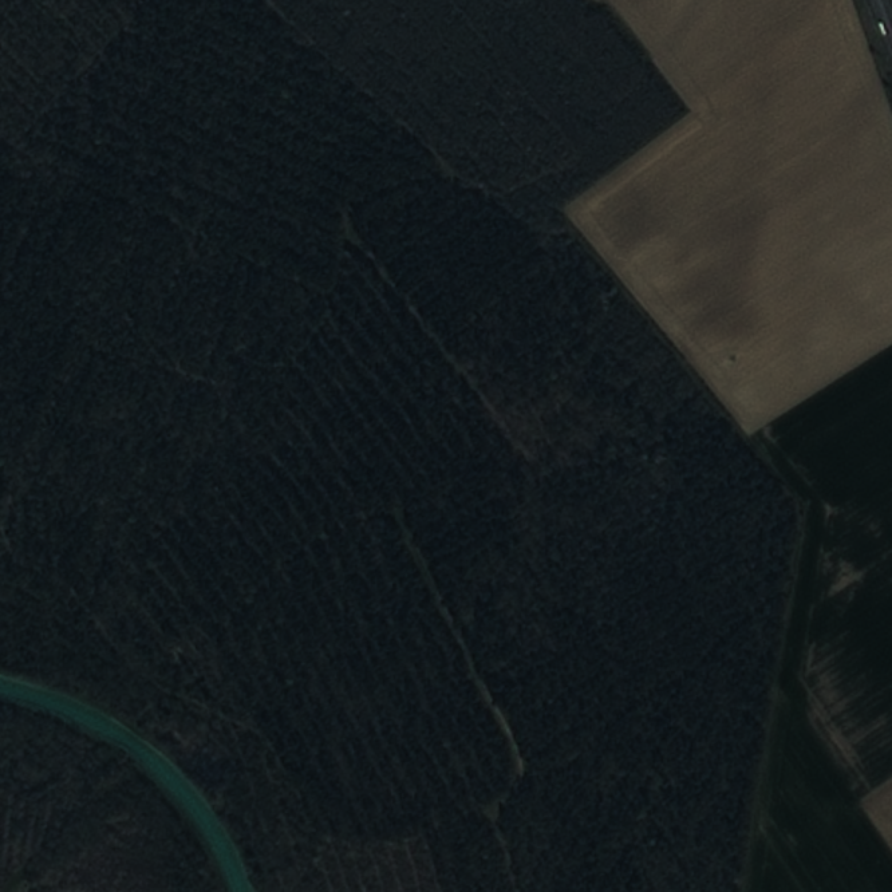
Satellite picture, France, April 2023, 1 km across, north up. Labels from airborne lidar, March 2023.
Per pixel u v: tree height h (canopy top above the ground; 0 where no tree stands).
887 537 0
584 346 21
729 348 0
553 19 13
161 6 17
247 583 17
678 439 20
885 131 0
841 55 0
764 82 0
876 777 0
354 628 19
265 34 18
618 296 20
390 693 17
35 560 20
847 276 0
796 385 0
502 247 20
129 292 17
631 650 21
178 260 19
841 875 0
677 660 20
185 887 14
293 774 19
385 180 20
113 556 18
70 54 16
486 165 12
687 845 21
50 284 20
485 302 22
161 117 17
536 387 19
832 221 0
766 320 0
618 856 18
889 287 0
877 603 0
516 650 20
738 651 19
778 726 0
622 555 19
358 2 14
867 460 0
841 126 0
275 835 17
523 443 19
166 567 23
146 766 0
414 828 19
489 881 18
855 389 0
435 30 13
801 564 0
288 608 20
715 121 0
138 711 16
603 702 19
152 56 19
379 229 18
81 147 11
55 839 16
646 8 0
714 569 24
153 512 19
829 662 0
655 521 23
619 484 20
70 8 15
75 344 20
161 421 19
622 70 16
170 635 21
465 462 22
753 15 0
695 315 0
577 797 8
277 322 22
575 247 7
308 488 22
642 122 14
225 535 22
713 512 20
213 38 17
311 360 18
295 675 14
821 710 0
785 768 0
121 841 15
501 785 19
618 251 0
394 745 20
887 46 0
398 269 20
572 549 23
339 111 18
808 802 0
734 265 0
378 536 20
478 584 6
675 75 0
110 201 18
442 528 21
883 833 0
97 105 13
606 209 0
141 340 19
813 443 0
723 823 19
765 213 0
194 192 20
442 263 21
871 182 0
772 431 0
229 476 17
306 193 21
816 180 0
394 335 21
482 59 16
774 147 0
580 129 15
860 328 0
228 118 17
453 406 15
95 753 7
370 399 19
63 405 19
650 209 0
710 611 21
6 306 19
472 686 15
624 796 19
